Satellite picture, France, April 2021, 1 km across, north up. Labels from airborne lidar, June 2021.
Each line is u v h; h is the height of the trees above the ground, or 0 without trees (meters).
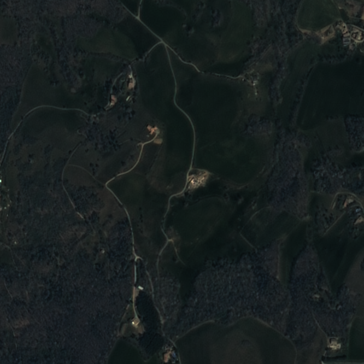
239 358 0
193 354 0
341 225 0
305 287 20
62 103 0
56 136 0
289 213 9
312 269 15
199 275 15
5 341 12
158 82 0
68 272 17
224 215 0
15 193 0
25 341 11
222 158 0
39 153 0
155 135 0
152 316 19
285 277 0
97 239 0
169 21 0
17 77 17
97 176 0
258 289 16
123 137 0
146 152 0
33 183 6
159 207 0
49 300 16
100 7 9
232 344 0
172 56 0
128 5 0
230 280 8
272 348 0
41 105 0
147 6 0
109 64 0
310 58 0
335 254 0
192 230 0
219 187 0
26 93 0
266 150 0
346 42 0
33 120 0
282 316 16
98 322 13
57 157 0
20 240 6
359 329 0
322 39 8
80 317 17
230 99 0
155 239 0
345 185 11
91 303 17
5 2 10
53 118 0
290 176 15
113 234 6
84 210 13
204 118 0
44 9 17
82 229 18
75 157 0
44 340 14
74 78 33
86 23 11
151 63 0
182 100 0
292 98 0
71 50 16
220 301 12
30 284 12
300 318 18
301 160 11
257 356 0
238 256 0
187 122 0
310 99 0
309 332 15
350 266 0
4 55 13
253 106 0
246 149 0
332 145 0
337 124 0
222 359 0
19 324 11
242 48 0
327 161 22
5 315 11
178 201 0
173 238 0
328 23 0
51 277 10
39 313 18
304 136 17
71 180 0
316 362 0
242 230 0
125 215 0
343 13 0
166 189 0
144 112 0
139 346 8
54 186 9
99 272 11
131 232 7
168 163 0
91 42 0
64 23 12
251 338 0
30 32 10
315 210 0
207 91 0
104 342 18
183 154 0
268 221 0
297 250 0
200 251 0
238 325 0
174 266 0
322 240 0
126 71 13
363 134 12
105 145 11
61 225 9
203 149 0
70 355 15
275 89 24
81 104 0
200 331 0
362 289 0
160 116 0
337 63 16
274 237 0
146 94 0
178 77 0
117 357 0
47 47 0
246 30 0
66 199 10
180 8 6
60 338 18
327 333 10
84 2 10
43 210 9
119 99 0
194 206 0
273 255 11
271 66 0
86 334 18
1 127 8
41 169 0
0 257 0
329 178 13
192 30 16
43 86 0
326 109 0
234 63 0
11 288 12
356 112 0
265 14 19
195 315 8
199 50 0
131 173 0
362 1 0
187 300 17
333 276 0
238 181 0
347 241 0
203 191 0
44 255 13
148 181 0
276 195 8
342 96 0
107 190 0
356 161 0
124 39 0
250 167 0
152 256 0
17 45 9
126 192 0
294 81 0
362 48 0
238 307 11
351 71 0
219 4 0
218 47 0
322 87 0
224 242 0
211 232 0
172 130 0
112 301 17
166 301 18
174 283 12
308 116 0
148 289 9
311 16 0
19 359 15
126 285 11
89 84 0
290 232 0
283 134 19
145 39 0
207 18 0
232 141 0
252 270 13
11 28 0
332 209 0
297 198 14
